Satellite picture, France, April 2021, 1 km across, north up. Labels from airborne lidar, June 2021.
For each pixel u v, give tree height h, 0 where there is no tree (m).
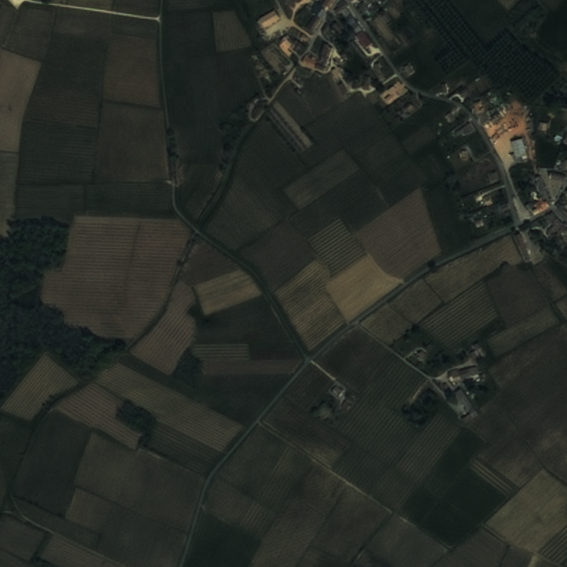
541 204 0
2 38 0
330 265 0
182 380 13
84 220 0
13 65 0
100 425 0
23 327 27
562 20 0
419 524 0
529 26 7
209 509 0
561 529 0
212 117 0
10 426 0
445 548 0
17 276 19
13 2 0
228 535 0
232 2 0
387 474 0
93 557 0
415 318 0
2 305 19
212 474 0
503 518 0
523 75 21
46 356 0
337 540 0
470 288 0
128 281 0
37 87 0
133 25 0
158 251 0
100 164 0
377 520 0
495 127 0
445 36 16
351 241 0
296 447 0
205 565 0
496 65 19
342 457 0
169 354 0
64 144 0
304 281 0
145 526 0
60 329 18
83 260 0
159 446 0
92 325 0
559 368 0
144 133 0
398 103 6
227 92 0
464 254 0
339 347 0
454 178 14
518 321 0
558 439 0
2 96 0
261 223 0
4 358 18
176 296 0
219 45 0
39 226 17
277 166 0
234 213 0
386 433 0
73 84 0
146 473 0
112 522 0
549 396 0
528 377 0
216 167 0
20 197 0
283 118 6
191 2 0
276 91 0
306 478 0
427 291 0
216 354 0
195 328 0
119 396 0
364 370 0
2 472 0
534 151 0
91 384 0
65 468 0
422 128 0
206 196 0
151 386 0
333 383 0
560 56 0
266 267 0
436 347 0
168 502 0
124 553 0
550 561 0
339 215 0
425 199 0
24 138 0
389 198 0
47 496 0
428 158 0
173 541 0
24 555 0
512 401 0
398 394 0
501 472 0
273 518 0
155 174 0
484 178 0
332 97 0
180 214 0
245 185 0
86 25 0
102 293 0
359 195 0
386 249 0
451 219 0
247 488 0
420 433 0
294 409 0
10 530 0
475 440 0
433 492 0
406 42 0
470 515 0
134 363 0
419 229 0
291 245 0
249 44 0
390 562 0
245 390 0
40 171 0
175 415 0
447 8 17
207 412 0
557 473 0
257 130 0
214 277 0
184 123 0
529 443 0
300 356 0
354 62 0
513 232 12
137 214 0
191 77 0
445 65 15
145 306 0
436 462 0
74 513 0
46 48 0
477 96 13
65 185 0
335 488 0
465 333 0
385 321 0
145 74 0
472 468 0
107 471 0
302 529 0
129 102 0
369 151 0
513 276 0
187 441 0
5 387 12
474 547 0
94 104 0
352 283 0
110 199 0
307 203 0
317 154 0
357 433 0
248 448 0
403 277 0
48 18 0
